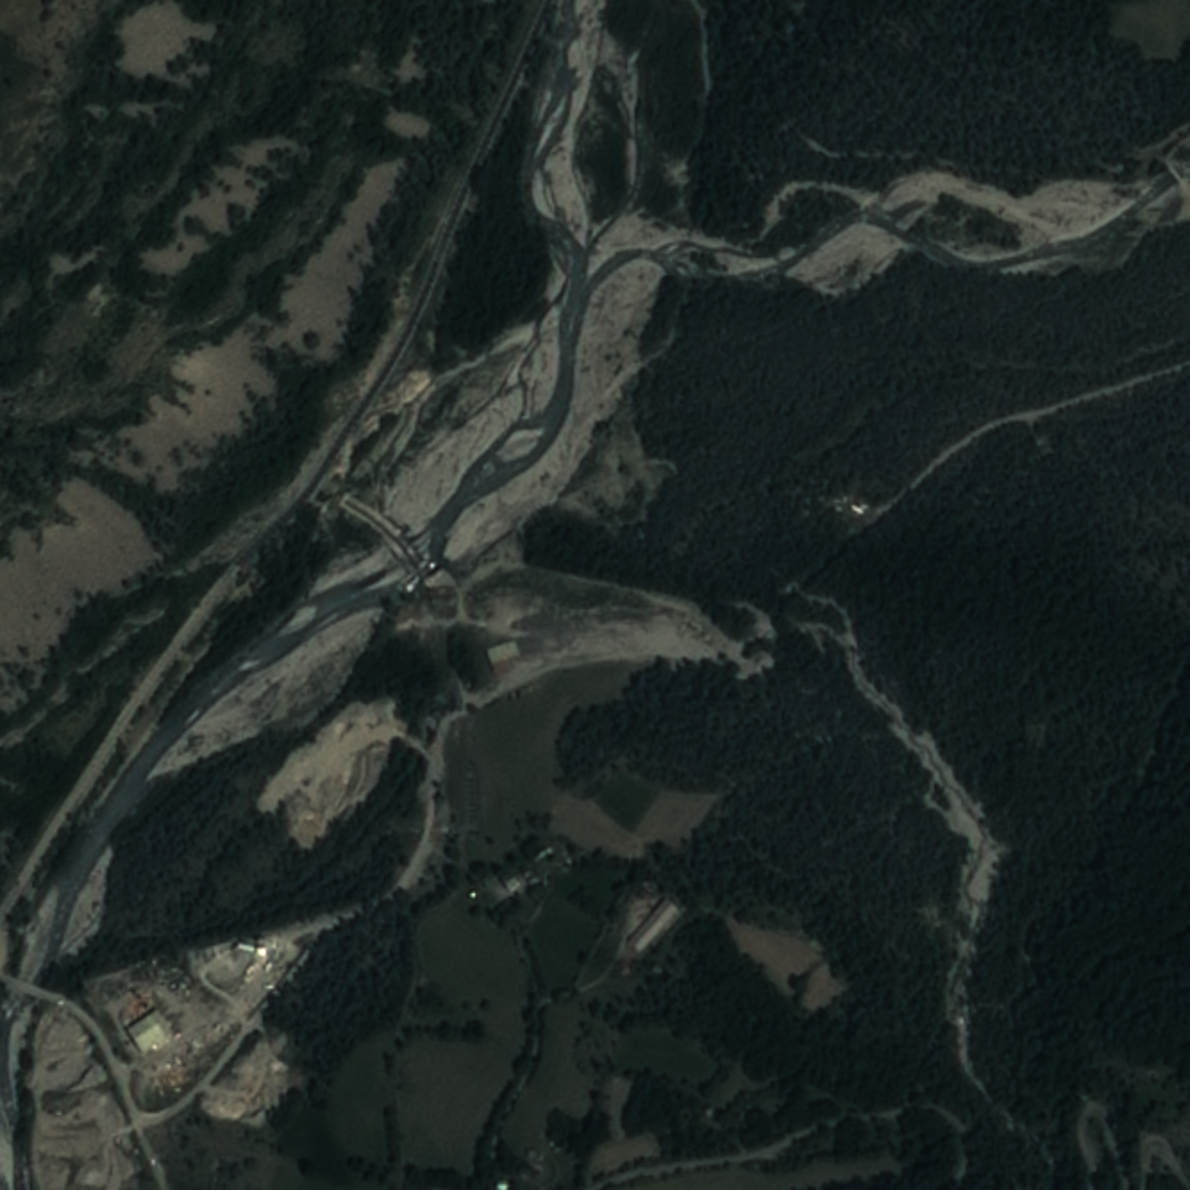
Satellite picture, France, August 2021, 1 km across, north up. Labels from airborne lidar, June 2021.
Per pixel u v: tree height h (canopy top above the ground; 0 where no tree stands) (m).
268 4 11
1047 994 19
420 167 28
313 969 11
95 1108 0
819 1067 16
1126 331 7
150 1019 0
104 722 8
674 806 0
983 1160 15
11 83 12
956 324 7
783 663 11
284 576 12
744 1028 17
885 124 13
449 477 0
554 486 0
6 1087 0
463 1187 16
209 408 0
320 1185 0
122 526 0
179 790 5
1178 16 0
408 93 8
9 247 8
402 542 0
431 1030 9
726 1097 0
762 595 12
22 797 6
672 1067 0
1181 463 16
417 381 0
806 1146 11
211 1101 0
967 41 17
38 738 15
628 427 0
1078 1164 10
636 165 0
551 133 0
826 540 7
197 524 11
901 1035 14
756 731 13
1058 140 9
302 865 10
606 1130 14
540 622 0
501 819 0
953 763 10
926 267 10
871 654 12
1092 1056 8
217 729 0
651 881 13
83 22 5
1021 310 7
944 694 11
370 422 0
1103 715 8
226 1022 0
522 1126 0
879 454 8
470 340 11
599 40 0
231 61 12
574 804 0
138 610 8
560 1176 0
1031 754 8
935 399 8
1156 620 13
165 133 6
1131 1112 12
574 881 0
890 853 8
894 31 14
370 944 12
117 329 6
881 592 13
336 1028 10
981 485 14
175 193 9
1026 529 21
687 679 11
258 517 8
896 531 12
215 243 7
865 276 0
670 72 8
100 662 6
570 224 0
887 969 13
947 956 9
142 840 6
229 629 10
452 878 16
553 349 0
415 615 0
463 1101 0
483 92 20
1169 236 10
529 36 0
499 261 7
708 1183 0
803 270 0
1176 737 21
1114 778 14
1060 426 8
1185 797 8
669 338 0
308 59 9
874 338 10
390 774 10
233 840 7
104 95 6
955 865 12
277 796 0
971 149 12
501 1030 0
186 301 8
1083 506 15
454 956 0
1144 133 13
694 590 13
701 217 17
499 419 0
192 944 12
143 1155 0
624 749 11
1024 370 8
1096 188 0
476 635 0
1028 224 0
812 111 15
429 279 0
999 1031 16
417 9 11
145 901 7
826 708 11
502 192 8
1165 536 10
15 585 0
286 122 20
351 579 0
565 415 0
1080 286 9
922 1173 19
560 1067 0
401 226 16
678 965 17
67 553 0
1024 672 16
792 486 10
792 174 8
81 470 14
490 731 0
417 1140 0
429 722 0
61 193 10
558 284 0
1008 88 16
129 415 12
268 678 0
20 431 6
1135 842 24
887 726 11
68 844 6
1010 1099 16
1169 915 34
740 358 8
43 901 0
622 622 0
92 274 15
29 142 0
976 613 19
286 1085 0
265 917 10
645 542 8
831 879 13
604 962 0
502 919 6
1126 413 6
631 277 0
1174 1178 11
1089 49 11
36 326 7
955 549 17
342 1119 0
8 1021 0
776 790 10
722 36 6
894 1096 16
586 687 0
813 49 13
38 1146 0
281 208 15
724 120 19
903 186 0
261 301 7
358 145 11
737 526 9
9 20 0
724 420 10
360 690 9
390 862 12
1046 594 18
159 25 0
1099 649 17
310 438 8
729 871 11
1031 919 23
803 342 8
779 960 0
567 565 13
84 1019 0
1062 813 14
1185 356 7
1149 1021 17
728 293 12
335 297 0
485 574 0
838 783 11
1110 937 29
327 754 0
